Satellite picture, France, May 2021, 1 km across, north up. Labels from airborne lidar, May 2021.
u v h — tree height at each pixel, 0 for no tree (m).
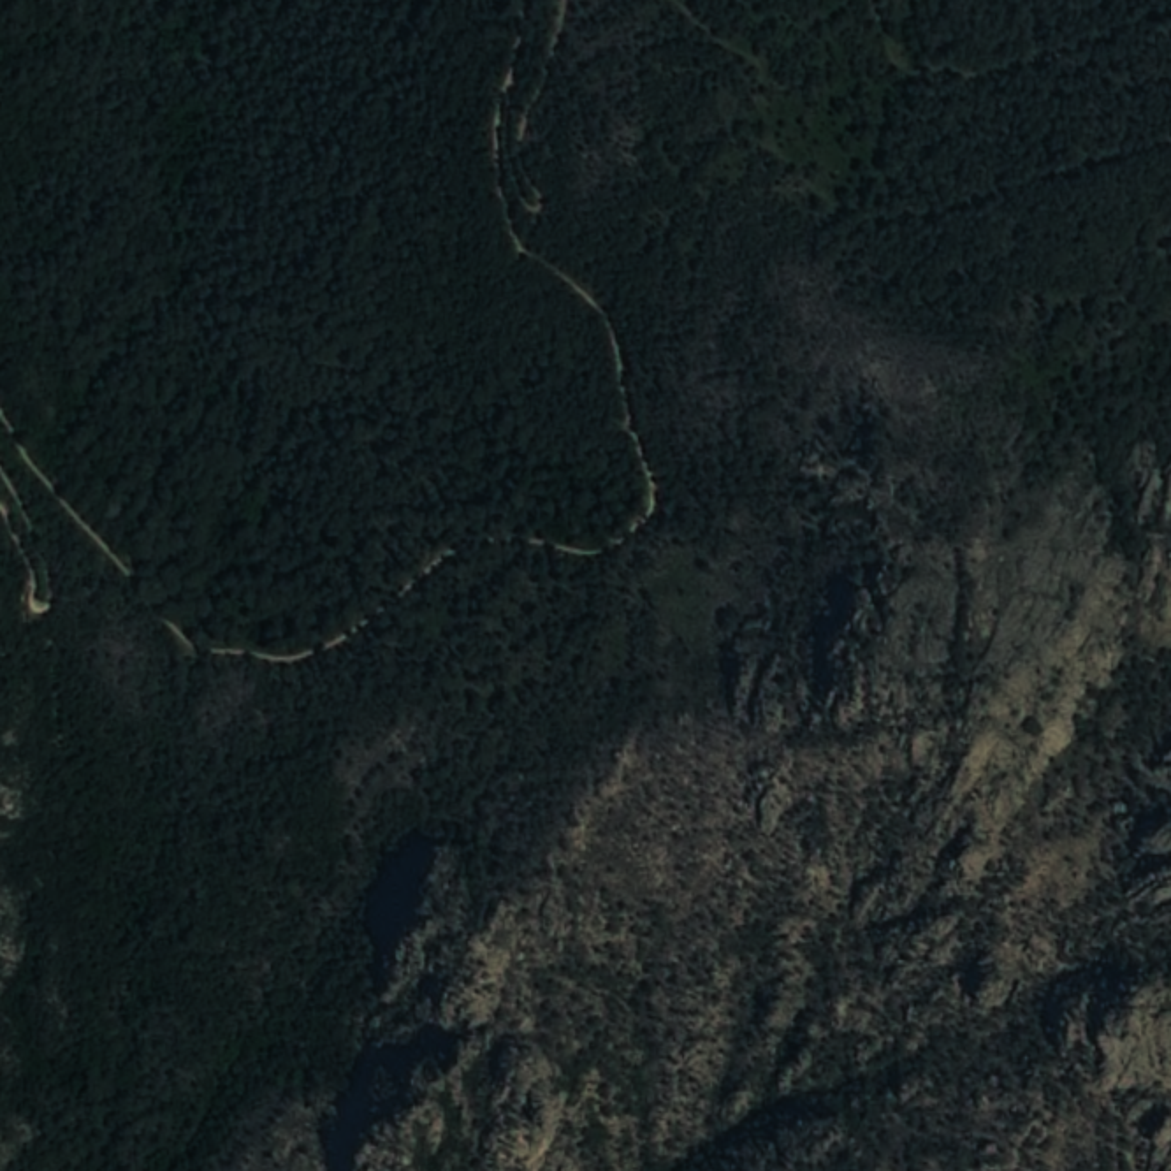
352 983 16
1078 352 12
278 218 25
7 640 16
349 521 27
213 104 18
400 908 11
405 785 7
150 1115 23
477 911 15
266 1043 10
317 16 14
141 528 19
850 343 12
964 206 7
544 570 23
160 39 21
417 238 19
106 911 13
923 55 19
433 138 20
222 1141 15
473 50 19
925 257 26
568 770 14
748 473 23
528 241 13
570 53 12
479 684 27
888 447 14
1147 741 13
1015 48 24
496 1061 21
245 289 29
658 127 11
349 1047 10
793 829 20
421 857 11
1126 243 28
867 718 15
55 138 21
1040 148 28
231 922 11
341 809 9
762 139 8
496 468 31
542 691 22
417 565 19
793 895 23
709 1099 15
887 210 28
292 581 33
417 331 18
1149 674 14
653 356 17
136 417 29
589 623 20
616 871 16
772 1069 8
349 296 35
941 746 11
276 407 27
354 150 21
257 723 21
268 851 15
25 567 21
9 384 22
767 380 13
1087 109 27
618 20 15
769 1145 8
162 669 17
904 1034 11
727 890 19
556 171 12
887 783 16
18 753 10
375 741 14
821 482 13
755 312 13
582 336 27
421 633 21
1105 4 9
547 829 15
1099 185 24
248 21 23
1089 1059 23
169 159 13
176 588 30
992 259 17
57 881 12
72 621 19
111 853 13
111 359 12
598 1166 13
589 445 27
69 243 31
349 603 27
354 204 22
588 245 21
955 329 12
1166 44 25
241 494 26
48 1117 18
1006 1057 12
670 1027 14
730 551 22
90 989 13
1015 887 11
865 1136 8
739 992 13
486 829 22
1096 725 14
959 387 10
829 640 15
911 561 7
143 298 26
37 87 30
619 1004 13
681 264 16
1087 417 25
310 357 31
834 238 20
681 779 14
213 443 35
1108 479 23
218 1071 19
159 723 20
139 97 27
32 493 18
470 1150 6
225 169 24
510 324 23
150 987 11
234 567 8
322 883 16
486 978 13
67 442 25
